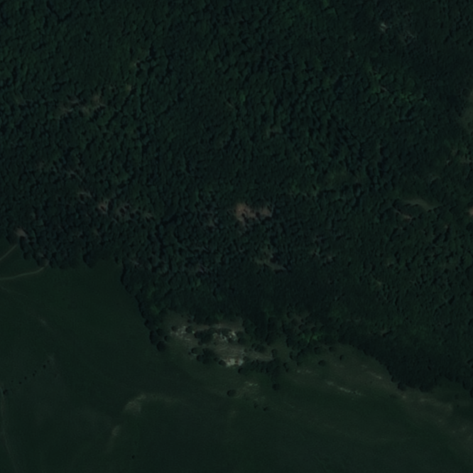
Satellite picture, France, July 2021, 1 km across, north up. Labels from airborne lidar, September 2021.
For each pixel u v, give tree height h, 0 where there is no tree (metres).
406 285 24
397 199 20
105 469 0
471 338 21
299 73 35
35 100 31
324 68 6
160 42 37
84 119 32
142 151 29
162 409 0
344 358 13
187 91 31
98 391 0
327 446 0
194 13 7
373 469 0
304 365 12
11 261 0
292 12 18
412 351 26
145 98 31
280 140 23
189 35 20
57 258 22
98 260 19
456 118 6
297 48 30
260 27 25
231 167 28
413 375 23
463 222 23
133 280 23
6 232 28
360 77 27
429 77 14
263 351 17
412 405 0
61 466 0
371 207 28
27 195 30
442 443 0
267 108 33
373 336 23
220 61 18
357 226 26
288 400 0
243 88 24
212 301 16
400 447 0
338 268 20
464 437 0
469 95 9
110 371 0
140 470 0
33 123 30
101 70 19
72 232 25
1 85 34
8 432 0
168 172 25
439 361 21
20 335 0
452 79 16
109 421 0
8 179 29
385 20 12
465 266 25
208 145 24
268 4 16
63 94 33
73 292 0
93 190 27
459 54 27
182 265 33
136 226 32
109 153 35
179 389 0
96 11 34
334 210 27
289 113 27
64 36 36
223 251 24
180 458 0
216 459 0
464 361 23
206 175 19
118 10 14
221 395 0
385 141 23
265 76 33
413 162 22
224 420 0
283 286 24
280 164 25
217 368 0
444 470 0
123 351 0
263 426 0
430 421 0
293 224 24
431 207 0
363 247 21
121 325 0
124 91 30
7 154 31
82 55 29
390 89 26
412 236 30
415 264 27
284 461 0
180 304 12
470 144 16
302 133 32
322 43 17
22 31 37
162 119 25
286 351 0
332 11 17
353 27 15
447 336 23
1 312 0
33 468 0
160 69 30
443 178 7
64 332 0
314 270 20
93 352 0
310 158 33
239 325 0
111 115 10
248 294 20
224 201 18
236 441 0
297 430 0
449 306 29
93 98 33
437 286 27
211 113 25
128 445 0
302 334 17
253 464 0
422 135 20
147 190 34
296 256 24
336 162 30
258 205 31
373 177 15
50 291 0
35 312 0
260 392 0
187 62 16
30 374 0
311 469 0
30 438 0
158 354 0
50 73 32
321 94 22
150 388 0
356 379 0
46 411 0
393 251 26
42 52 37
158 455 0
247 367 8
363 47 15
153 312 20
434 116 19
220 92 15
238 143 31
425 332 19
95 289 0
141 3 23
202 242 31
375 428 0
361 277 25
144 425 0
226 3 25
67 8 36
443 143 23
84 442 0
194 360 0
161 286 20
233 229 24
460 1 16
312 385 0
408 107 27
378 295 24
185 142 17
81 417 0
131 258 24
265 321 19
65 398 0
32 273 0
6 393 13
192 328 11
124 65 24
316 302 16
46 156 28
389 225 29
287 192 20
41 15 40
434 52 12
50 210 29
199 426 0
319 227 23
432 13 25
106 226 27
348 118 24
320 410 0
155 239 34
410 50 11
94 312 0
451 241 33
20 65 35
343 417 0
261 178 29
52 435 0
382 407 0
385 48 14
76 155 28
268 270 26
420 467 0
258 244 27
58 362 0
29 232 25
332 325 16
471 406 0
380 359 16
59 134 26
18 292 0
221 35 34
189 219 32
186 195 30
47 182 26
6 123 28
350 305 17
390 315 23
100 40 23
